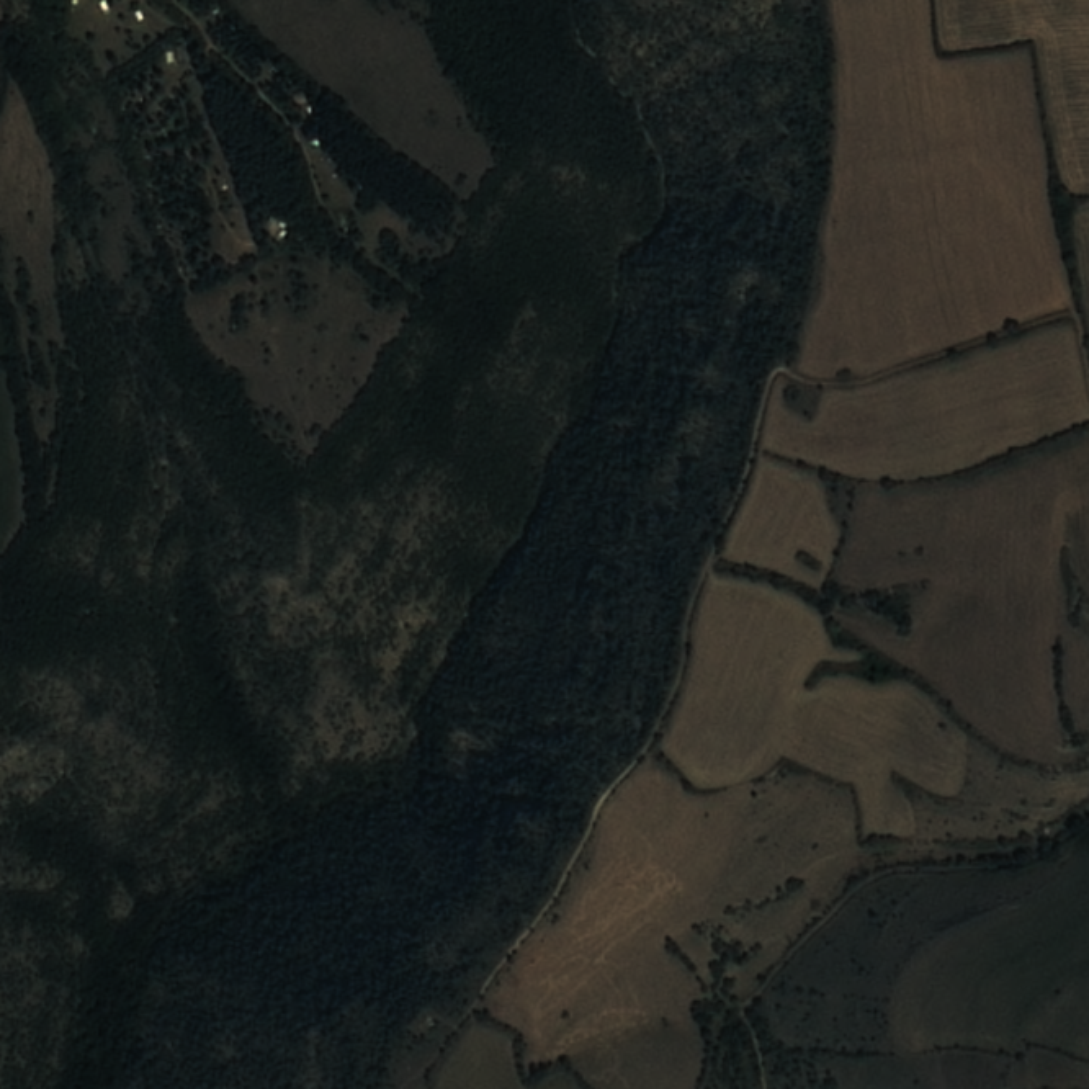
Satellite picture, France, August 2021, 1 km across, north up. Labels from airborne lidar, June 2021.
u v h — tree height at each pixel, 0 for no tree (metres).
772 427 0
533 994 0
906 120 0
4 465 0
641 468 8
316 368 0
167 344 9
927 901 0
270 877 7
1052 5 0
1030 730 0
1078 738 6
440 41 11
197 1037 7
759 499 0
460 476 6
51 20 8
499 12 14
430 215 15
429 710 11
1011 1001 0
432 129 0
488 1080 0
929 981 0
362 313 0
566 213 5
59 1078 7
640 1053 0
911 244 0
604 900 0
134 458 6
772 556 0
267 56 8
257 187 18
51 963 8
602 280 7
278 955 7
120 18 5
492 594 7
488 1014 8
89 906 10
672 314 6
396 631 7
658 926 0
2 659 6
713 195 6
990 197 0
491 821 10
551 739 6
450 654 7
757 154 6
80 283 7
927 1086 0
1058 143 0
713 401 8
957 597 0
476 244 5
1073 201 8
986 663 0
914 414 0
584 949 0
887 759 0
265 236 14
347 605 6
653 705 5
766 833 0
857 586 0
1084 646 0
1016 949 0
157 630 7
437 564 6
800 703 0
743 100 9
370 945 7
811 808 0
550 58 8
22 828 9
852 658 0
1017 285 0
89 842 8
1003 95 0
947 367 0
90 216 6
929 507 0
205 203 7
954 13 0
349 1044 7
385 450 7
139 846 7
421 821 7
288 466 7
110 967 13
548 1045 0
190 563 8
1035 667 0
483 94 9
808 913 0
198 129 11
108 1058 11
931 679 0
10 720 8
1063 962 0
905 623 10
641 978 0
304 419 0
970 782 0
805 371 0
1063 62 0
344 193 0
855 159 0
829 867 0
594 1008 0
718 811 0
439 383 11
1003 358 0
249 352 0
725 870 0
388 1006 6
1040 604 0
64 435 9
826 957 0
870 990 0
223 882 8
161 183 13
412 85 0
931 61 0
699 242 7
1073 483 0
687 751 0
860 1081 0
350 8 0
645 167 7
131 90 7
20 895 8
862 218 0
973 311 0
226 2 6
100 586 6
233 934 6
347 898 7
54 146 6
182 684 7
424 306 7
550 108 8
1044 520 0
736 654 0
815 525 0
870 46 0
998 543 0
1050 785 0
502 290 11
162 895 8
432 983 7
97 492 6
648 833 0
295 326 0
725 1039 8
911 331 0
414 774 6
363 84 0
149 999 6
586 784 6
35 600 14
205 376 10
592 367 10
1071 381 0
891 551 0
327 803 8
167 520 8
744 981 0
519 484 8
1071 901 0
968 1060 0
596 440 6
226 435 8
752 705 0
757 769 0
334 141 18
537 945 0
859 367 0
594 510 6
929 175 0
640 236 6
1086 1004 0
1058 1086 0
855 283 0
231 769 5
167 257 9
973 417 0
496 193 9
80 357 11
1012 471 0
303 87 6
